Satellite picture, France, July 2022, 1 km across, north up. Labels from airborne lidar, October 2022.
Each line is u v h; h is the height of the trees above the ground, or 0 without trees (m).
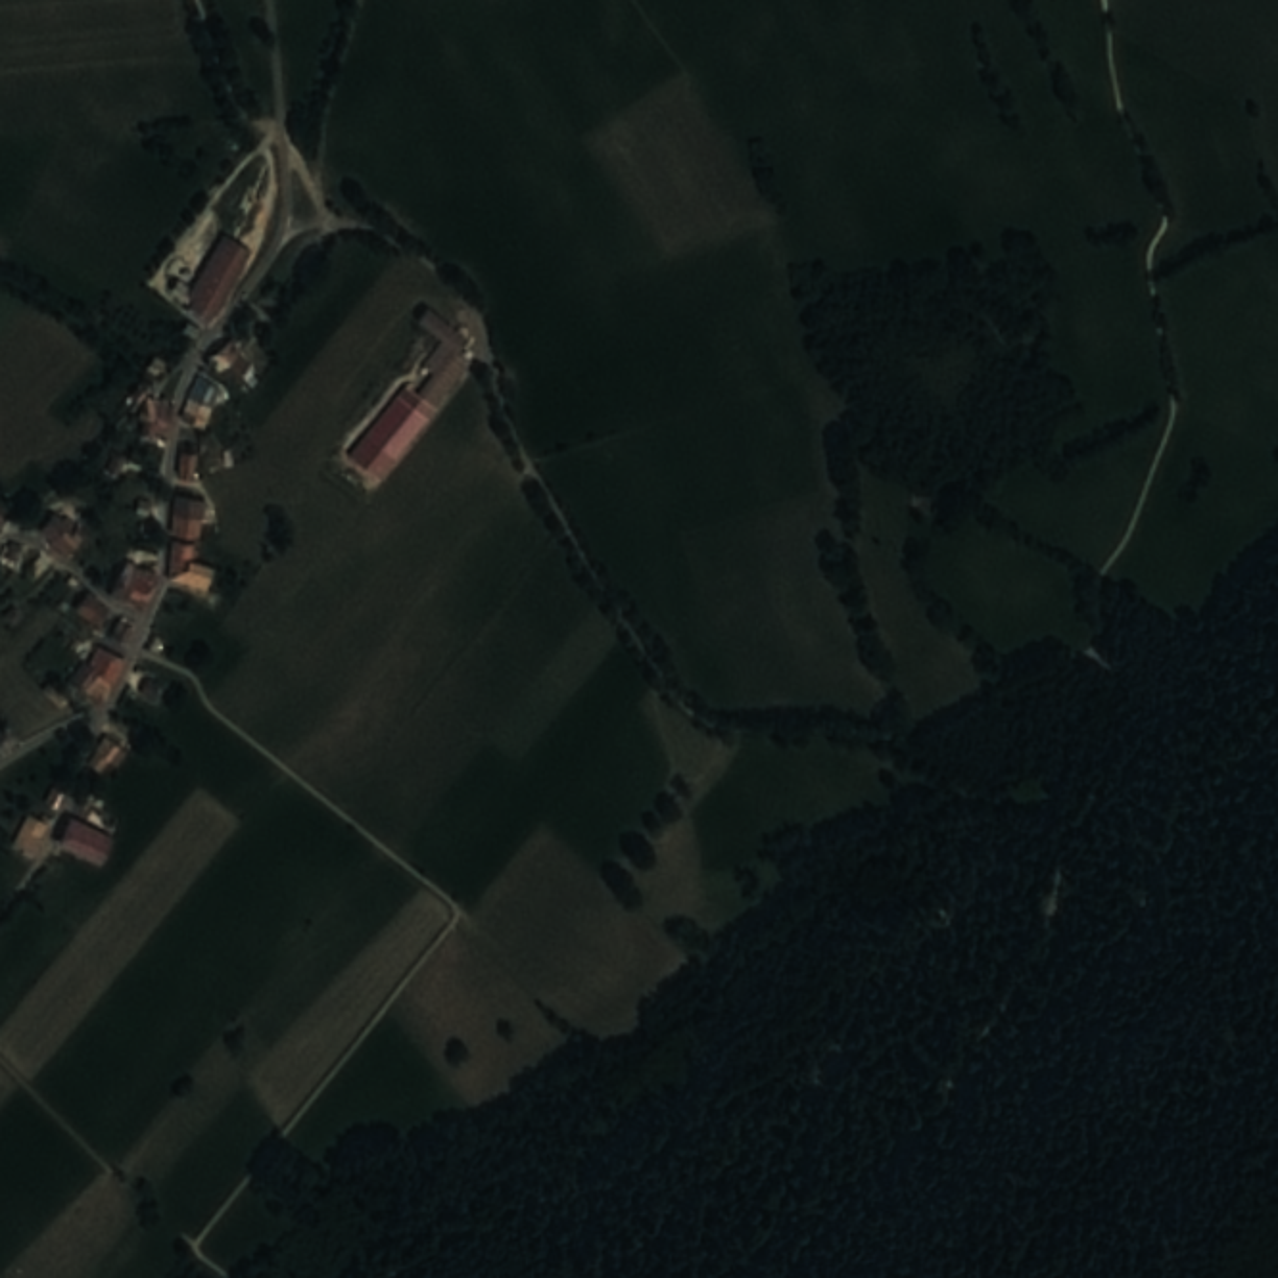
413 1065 0
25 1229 0
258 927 0
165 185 0
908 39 0
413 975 0
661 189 0
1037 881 32
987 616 0
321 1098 0
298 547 0
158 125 6
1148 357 0
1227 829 8
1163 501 0
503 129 0
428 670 0
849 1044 20
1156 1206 11
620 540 0
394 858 0
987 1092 28
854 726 18
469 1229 7
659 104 0
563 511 11
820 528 0
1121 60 0
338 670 0
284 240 0
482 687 0
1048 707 19
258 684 0
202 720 0
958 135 0
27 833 0
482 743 0
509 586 0
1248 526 0
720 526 0
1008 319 13
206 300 0
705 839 0
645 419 0
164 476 15
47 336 0
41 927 0
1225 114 0
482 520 0
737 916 0
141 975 0
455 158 0
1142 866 11
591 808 0
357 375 0
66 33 0
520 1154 30
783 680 0
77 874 0
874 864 12
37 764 0
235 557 0
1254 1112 25
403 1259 17
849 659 0
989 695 16
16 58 0
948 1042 26
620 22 0
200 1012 0
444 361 0
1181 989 21
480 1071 0
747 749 0
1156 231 0
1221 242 15
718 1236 7
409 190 0
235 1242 0
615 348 0
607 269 0
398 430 0
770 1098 17
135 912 0
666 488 0
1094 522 0
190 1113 0
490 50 0
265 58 0
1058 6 0
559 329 0
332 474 0
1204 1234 17
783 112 0
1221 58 0
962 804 37
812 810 0
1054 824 33
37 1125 0
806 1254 8
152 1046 0
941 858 35
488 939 0
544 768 0
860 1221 22
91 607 0
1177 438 0
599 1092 20
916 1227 20
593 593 9
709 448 0
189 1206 0
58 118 0
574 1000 0
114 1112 0
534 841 0
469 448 0
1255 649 17
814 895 24
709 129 0
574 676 0
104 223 0
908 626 0
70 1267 0
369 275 0
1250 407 0
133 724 9
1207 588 0
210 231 0
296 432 0
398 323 0
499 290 0
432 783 0
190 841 0
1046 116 0
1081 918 14
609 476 0
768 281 0
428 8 0
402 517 0
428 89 0
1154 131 0
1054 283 18
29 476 0
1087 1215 15
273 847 0
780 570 0
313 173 0
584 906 0
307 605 0
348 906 0
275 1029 0
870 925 7
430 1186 32
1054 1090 22
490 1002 0
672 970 0
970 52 0
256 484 0
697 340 0
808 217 0
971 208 0
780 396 0
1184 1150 20
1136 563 0
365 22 0
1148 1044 27
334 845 0
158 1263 0
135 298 0
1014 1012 24
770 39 0
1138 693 25
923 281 19
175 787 0
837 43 0
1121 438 17
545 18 0
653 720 0
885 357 9
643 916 0
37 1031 0
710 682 0
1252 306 0
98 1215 0
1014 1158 17
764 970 26
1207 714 12
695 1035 14
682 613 0
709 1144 19
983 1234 25
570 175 0
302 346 0
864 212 0
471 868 0
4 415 0
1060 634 0
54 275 0
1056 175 0
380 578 0
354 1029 0
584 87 0
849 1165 30
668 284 0
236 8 0
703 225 0
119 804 0
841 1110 16
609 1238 35
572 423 0
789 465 0
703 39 0
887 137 0
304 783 0
